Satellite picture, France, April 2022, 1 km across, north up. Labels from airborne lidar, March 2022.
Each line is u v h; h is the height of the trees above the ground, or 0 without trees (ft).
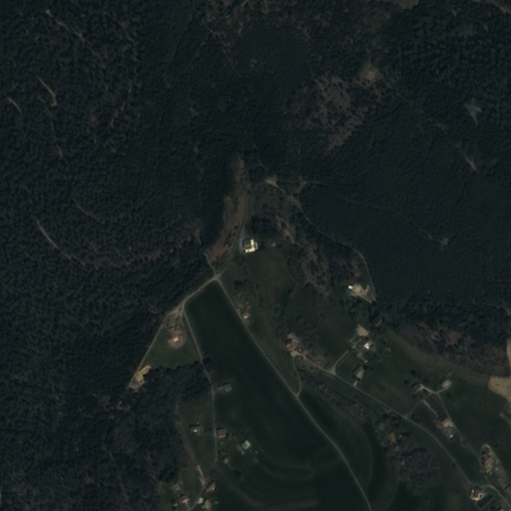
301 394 0
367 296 0
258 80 22
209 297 0
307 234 64
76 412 31
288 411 0
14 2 41
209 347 0
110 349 42
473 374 0
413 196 62
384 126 53
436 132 46
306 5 37
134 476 63
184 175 66
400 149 54
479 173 25
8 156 86
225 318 0
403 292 53
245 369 0
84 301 118
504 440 0
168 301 50
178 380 49
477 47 125
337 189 49
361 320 55
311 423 0
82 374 29
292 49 32
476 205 65
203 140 63
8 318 99
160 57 66
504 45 84
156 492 69
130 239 77
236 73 39
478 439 0
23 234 119
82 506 67
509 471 0
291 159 33
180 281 38
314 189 68
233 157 93
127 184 65
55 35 25
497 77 88
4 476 92
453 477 0
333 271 56
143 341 26
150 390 33
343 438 0
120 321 27
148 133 62
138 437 55
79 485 86
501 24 83
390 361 0
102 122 27
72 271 90
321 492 0
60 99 57
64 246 68
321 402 0
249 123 81
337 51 20
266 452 0
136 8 39
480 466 0
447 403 0
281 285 0
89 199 68
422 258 51
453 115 43
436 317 59
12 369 94
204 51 55
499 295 70
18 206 44
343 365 0
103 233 66
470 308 64
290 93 24
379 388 0
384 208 54
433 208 43
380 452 0
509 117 80
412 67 113
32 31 88
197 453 0
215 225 53
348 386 0
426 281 59
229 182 55
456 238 40
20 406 98
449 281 54
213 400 0
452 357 51
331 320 0
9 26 81
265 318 0
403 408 0
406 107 45
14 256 37
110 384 32
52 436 20
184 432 0
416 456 59
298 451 0
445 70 34
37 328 84
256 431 0
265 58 30
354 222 53
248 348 0
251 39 34
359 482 0
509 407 0
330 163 28
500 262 60
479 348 28
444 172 56
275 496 0
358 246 47
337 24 22
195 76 89
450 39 54
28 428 107
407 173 35
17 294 68
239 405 0
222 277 0
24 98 98
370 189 50
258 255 0
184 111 59
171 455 51
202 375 83
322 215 53
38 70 77
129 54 22
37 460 100
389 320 74
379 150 52
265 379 0
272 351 0
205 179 49
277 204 30
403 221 52
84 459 35
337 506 0
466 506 0
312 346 19
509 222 53
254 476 0
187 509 0
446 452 0
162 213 40
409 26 58
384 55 68
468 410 0
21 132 50
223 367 0
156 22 56
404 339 79
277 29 30
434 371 0
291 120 26
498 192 65
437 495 0
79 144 48
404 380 0
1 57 23
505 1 22
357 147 57
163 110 73
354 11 32
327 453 0
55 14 70
